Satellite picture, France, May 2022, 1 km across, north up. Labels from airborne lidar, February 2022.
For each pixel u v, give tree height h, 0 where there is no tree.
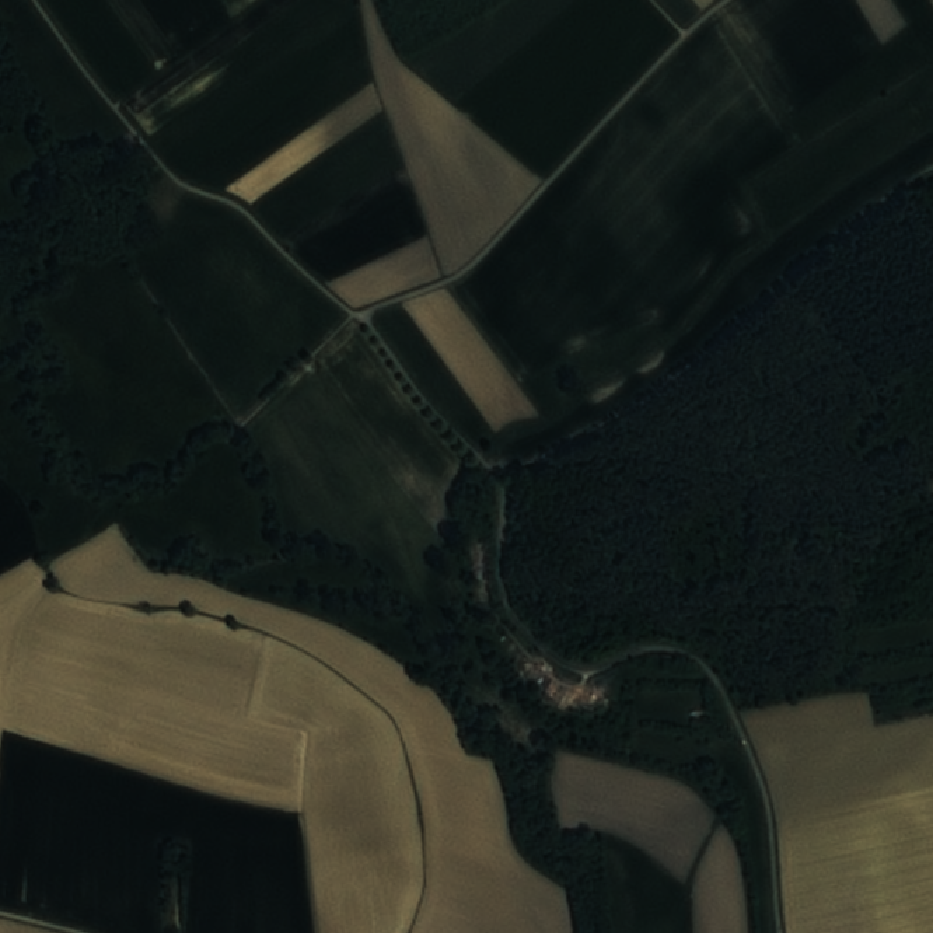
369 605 28
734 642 23
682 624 22
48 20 0
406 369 0
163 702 0
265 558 0
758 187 0
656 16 0
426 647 31
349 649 0
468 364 0
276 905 0
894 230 27
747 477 20
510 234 0
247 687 0
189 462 15
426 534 0
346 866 0
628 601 19
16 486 0
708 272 0
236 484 0
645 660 8
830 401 20
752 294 0
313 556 14
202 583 0
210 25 0
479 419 0
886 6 0
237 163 0
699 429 21
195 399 0
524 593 12
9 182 0
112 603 0
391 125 0
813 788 0
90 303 0
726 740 7
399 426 0
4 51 17
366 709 0
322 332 0
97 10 0
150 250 0
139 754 0
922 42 0
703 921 0
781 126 0
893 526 12
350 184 0
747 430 18
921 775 0
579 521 19
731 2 0
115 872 0
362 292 0
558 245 0
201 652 0
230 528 0
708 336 0
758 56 0
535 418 0
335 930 0
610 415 0
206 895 0
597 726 9
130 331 0
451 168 0
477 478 12
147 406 0
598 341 0
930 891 0
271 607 0
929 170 0
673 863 0
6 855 0
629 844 0
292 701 0
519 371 0
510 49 0
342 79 0
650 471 19
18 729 0
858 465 17
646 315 0
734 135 0
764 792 0
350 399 0
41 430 20
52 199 26
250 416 0
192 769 0
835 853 0
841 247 19
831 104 0
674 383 18
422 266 0
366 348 0
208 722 0
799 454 20
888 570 15
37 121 18
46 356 16
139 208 31
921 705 11
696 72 0
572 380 29
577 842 21
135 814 0
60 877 0
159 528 0
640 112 0
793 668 23
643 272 0
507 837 0
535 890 0
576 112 0
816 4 0
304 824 0
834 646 25
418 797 0
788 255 0
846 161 0
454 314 0
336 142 0
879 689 7
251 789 0
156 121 0
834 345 24
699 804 0
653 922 0
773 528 18
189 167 0
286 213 0
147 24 0
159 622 0
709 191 0
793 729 0
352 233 0
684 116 0
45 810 0
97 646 0
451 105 0
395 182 0
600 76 0
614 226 0
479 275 0
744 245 0
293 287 0
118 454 0
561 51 0
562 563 18
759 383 22
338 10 0
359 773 0
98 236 23
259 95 0
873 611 9
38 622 0
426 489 0
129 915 0
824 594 22
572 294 0
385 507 0
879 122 0
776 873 0
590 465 21
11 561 0
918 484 20
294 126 0
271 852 0
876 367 22
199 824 0
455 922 0
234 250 0
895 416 7
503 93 0
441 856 0
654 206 0
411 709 0
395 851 0
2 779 0
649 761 10
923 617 7
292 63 0
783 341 23
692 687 7
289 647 0
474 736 16
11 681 0
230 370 0
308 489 0
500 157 0
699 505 21
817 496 19
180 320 0
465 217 0
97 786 0
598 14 0
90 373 0
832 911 0
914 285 25
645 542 24
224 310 0
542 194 0
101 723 0
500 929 0
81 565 0
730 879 0
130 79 0
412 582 0
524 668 0
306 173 0
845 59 0
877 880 0
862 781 0
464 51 0
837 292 27
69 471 12
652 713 0
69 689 0
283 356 0
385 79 0
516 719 0
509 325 0
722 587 20
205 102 0
